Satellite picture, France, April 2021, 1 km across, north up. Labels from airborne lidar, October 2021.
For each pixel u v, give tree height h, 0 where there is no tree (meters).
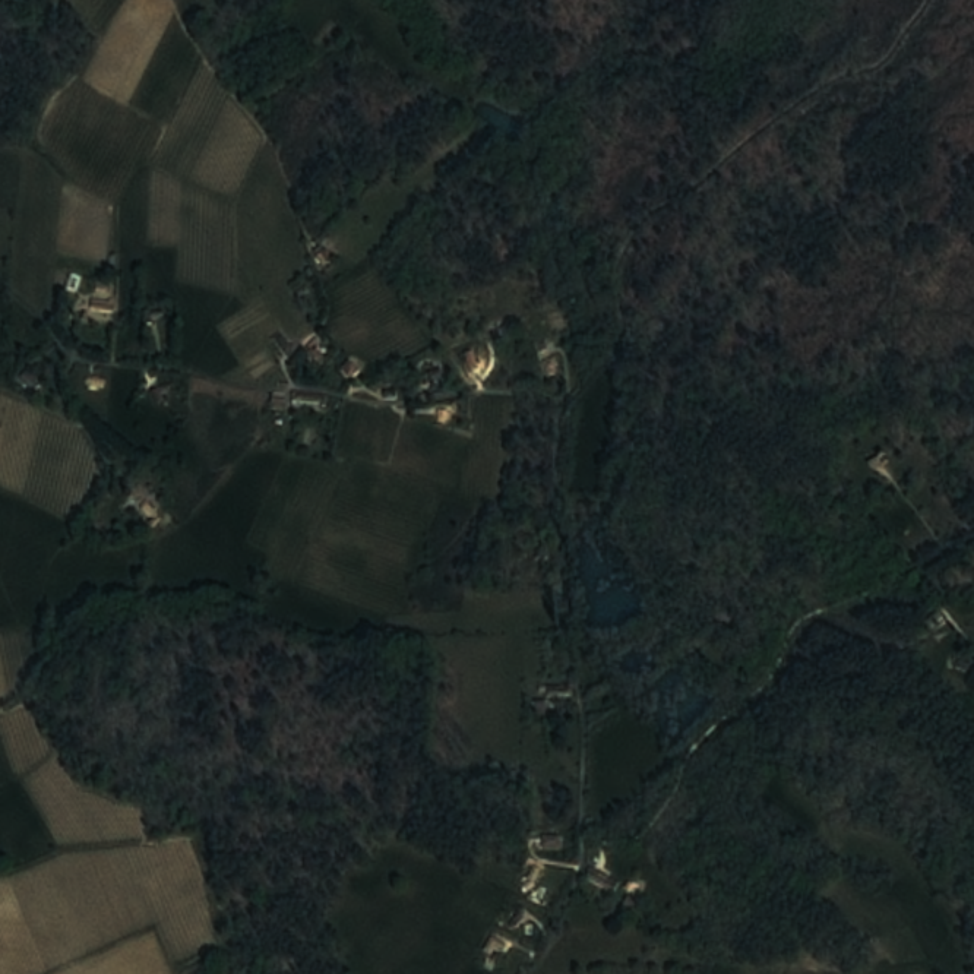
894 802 11
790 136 16
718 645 20
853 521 18
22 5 16
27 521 0
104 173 0
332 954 23
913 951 0
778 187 14
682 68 17
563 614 18
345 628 0
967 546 15
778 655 17
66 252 0
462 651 0
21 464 0
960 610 7
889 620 22
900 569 22
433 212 20
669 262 11
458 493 0
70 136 0
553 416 16
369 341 0
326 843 16
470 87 16
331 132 23
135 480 20
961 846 20
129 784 12
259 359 0
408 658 26
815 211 12
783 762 21
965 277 8
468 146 0
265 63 19
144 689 15
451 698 13
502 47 23
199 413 0
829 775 11
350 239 0
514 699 0
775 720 17
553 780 0
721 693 21
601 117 24
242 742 12
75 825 0
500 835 24
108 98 0
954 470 18
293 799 8
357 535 0
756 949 24
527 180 26
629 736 0
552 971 0
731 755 19
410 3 23
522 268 23
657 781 16
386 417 0
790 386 14
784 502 22
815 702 16
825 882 24
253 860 14
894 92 12
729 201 15
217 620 18
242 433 0
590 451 0
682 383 21
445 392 17
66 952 0
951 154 19
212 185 0
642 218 21
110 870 0
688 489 19
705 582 21
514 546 9
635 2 12
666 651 16
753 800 25
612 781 0
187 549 0
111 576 0
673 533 20
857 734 7
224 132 0
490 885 0
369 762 28
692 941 16
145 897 0
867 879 20
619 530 21
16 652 0
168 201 0
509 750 0
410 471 0
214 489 0
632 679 20
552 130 25
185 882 0
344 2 0
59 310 14
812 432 22
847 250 25
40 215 0
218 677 6
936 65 15
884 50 8
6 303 12
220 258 0
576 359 19
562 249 24
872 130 22
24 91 22
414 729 20
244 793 18
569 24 9
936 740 22
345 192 13
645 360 10
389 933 0
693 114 21
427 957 0
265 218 0
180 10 0
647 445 17
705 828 19
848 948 19
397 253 14
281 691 20
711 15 22
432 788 27
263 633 26
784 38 17
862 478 0
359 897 0
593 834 14
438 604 10
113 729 19
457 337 13
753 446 23
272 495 0
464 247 16
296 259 0
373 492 0
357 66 25
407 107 6
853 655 23
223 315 0
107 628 23
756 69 20
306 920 28
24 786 0
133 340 0
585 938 0
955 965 0
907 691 24
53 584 0
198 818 12
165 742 10
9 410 0
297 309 13
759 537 16
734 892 18
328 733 13
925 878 15
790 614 23
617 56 16
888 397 22
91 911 0
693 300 20
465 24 16
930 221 8
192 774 18
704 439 21
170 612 19
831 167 13
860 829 14
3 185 0
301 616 0
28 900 0
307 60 16
